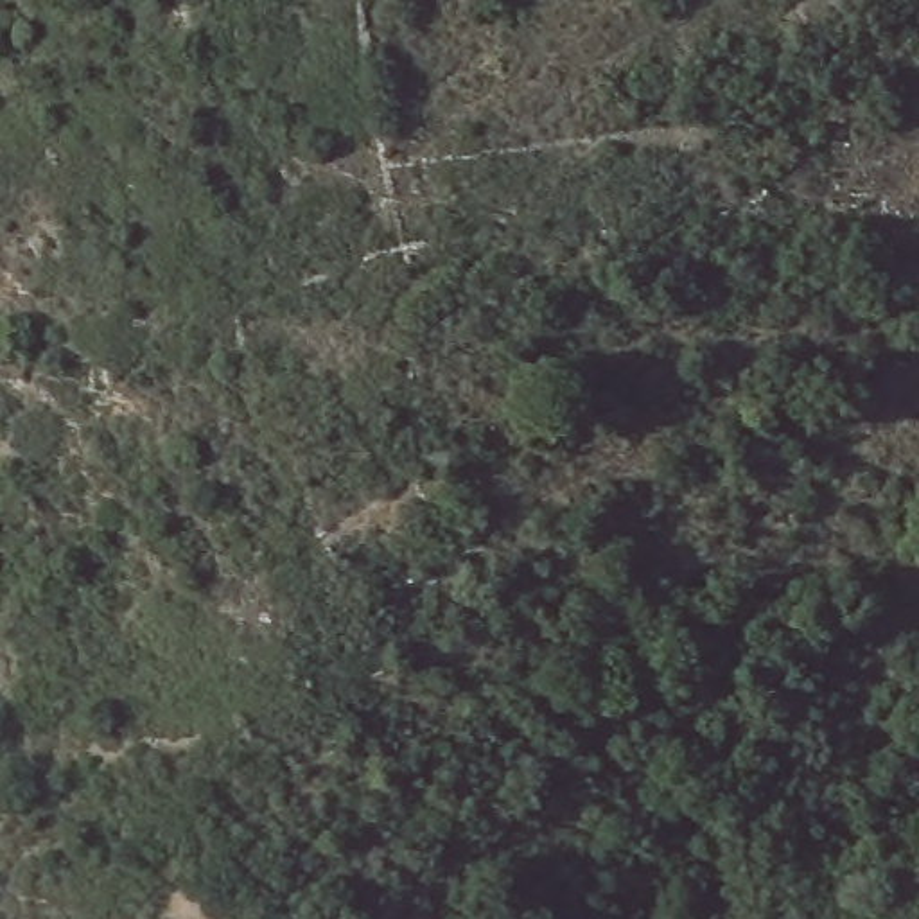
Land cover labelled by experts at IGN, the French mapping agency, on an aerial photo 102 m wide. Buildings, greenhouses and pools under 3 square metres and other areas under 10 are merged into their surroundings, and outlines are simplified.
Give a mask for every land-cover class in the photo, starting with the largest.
<instances>
[{"label":"deciduous trees","instance_id":"1","mask_svg":"<svg viewBox=\"0 0 919 919\"><path fill-rule=\"evenodd\" d=\"M804 0H707L689 18V25L700 36L693 43L689 65L671 61L664 54H639L632 65L614 72L610 90L635 108V122L643 129L700 126V144L689 151L650 147V237L639 241L625 233L610 241L603 255L589 266L592 273L574 276L571 287H564L549 302L542 334L531 337L528 352L521 355L524 363L503 384L495 413L499 424L485 431L481 452L463 463H449V481H424L427 499H416L409 510H402L395 531L370 528L348 535L337 546H319L316 528L302 506H291L287 531L298 564L269 582L273 603L284 600L287 610L298 617L284 632V646L298 664L294 689L305 704V718L298 722L287 711L244 714V725L251 729L248 750H241L237 765H226V772L208 790L219 811L244 826V840L237 844L230 862L212 876V890L197 901L208 919H363L359 912H352V894L345 887V876L352 872H363L391 894L402 890V876L416 872L424 883L442 887L449 894V908L442 919H919V215L894 219L862 212H826V190L833 187V179L847 176V165L833 154V147L847 136H883V129L894 126L901 136H912L919 144V0H844V7L829 11L826 18L801 25V43L793 50L779 39L772 11H793ZM29 790L14 783L11 754L0 750V808L7 815H22Z\"/></svg>","mask_w":919,"mask_h":919},{"label":"brushwood","instance_id":"2","mask_svg":"<svg viewBox=\"0 0 919 919\"><path fill-rule=\"evenodd\" d=\"M395 86L388 79V47H359L352 0H0V280L4 273H18L29 287L25 312H7L0 319V653L14 643L22 657V678L14 686L11 704L22 718L25 754L54 757L47 775L50 790L65 786L68 761L79 768L83 779V786L54 808V829H43L39 840L47 854L32 858L25 887V894H43L57 908L72 905V919H208L197 901L212 890V876L230 862L237 844L244 840V826L219 811L208 790L226 772V765H237L241 750H248L251 729L244 725V714L287 711L298 722L305 718V704L294 689L298 664L284 646V632L298 617L287 610L284 600L273 603L266 614H258V625H241L219 610L205 614V603L212 596L197 592L190 578V556L179 553L176 538H169L165 503L158 492V485L172 474L183 517H190L194 528L208 538L215 574H266L269 582L298 564L287 531L291 506H302L316 528L334 531L370 499H395L409 485L424 481H449V463H463L481 452L485 431L499 424L495 413L503 384L524 363L521 355L528 352L531 337L542 334L549 302L564 287H571L574 276L592 273L589 266L603 255L610 241L625 233L639 241L650 237V147L607 144L596 158H574L571 151L495 154V147H477L474 133L467 129L460 151H470V162L434 165L438 179L452 190V205L420 208L413 223H398L395 230H388L373 212L366 187H319L316 179H305V187H287L280 179V165L291 158L337 162L355 147H373V140L395 136ZM345 312H352V323L363 327L370 337H381V352H366V359L341 377L337 370L312 373V352L284 341L280 319L294 316L298 323H316L341 319ZM345 887L352 894V912H359L363 919H442L449 908V894L442 887L424 883L416 872L402 876V890L391 894L363 872H352L345 876Z\"/></svg>","mask_w":919,"mask_h":919},{"label":"herbaceous vegetation","instance_id":"3","mask_svg":"<svg viewBox=\"0 0 919 919\"><path fill-rule=\"evenodd\" d=\"M707 0H352L359 47H388V79L395 86V136L373 140V147H355L337 162L291 158L280 165V179L287 187H305V179H316L319 187H366L373 212L388 230H395L398 223H413L420 208L452 205V190L438 179L434 165L470 162V151H460L467 129L474 133L477 147H495V154L571 151L574 158H596L607 144L650 147L689 151L700 144V126L643 129L635 122V108L610 90L614 72L632 65L639 54H664L671 61L689 65L693 43L700 36L689 25V18ZM844 7V0H804L793 11H772L779 39L793 50L801 43V25L826 18L829 11ZM833 154L847 165V176L833 179V187L826 190V212H862L894 219L919 215V144L912 136H901L894 126L883 129V136H847L833 147ZM29 287L18 273H4L0 280V319L7 312H25ZM284 341L312 352V373L337 370L341 377L366 359V352H381V337H370L363 327L352 323V312H345L341 319L316 323H298L294 316L280 319ZM158 492L165 503L169 538H176L179 553L190 556V578L197 592L212 596L205 603V614L219 610L241 625H258V614H266L273 603L269 582L266 574H215L208 538L194 528L190 517H183L172 474L158 485ZM416 499H427L424 481L409 485L395 499H370L334 531L316 528L319 546H337L348 535L370 528L395 531L402 510H409ZM22 678V657L14 643L0 653V750L11 754L14 783L29 790L22 815H7L0 808V919H72V905L57 908L43 894H25V887L32 858L47 854L39 840L43 829H54V808L83 786V779L79 768L68 761L65 786L50 790L47 775L54 757L25 754L22 718L11 704L14 686Z\"/></svg>","mask_w":919,"mask_h":919}]
</instances>
